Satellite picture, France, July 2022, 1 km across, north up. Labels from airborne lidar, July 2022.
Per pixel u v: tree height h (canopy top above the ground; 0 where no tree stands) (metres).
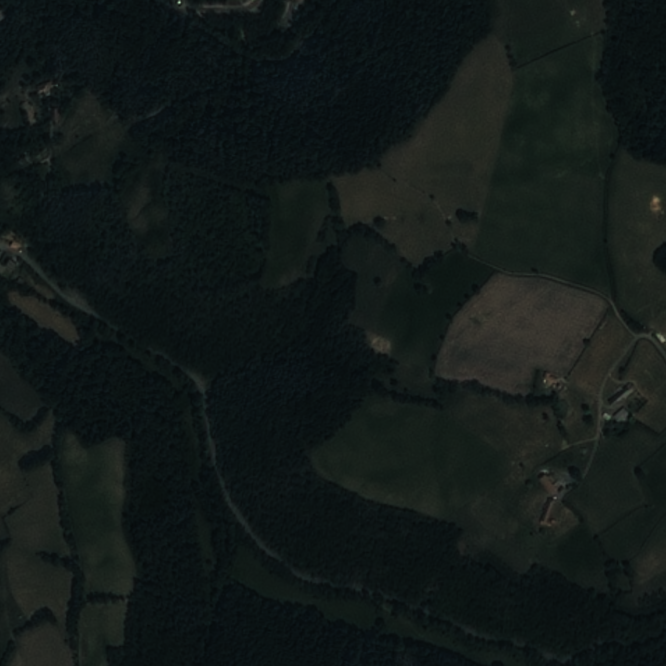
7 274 0
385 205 0
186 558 21
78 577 18
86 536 0
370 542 12
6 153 13
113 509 0
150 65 30
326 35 21
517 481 0
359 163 17
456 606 19
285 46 24
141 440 21
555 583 14
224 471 18
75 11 7
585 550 0
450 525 9
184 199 6
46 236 17
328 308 11
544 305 0
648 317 0
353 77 30
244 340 17
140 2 19
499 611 8
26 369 21
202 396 13
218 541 20
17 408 0
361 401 7
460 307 10
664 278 0
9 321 18
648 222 0
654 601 8
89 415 6
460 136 0
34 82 8
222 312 13
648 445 0
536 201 0
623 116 19
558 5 0
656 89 21
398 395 12
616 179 0
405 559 18
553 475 0
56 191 15
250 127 20
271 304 9
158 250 0
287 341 12
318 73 28
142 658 20
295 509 13
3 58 14
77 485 0
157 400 15
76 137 7
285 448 13
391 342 0
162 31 27
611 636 12
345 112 21
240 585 14
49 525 0
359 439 0
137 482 7
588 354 0
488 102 0
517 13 0
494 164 0
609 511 0
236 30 23
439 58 10
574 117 0
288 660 23
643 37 26
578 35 0
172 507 19
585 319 0
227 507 14
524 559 0
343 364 28
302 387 26
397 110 21
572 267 0
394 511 7
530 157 0
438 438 0
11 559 0
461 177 0
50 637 0
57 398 12
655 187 0
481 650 8
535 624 18
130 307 18
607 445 0
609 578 14
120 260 9
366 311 0
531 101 0
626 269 0
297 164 15
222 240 8
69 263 26
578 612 14
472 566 20
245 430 17
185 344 16
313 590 15
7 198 0
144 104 19
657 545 0
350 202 0
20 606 0
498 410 0
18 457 0
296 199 0
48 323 0
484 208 0
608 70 19
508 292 0
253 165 21
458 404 0
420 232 0
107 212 5
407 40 16
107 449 0
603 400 0
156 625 25
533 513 0
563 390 0
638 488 0
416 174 0
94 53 10
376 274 0
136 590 13
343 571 14
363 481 0
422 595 10
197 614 31
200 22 19
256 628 20
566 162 0
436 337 0
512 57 10
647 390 0
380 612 15
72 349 22
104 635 0
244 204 6
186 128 10
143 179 0
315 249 0
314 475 6
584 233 0
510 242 0
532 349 0
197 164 10
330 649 24
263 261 11
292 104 28
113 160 0
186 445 22
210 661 22
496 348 0
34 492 0
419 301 0
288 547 15
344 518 18
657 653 29
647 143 22
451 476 0
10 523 0
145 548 22
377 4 22
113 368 26
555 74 0
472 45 11
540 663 14
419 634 0
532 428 0
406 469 0
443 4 21
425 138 0
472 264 0
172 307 11
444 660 23
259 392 20
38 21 21
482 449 0
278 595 0
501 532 0
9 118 0
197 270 14
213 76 15
